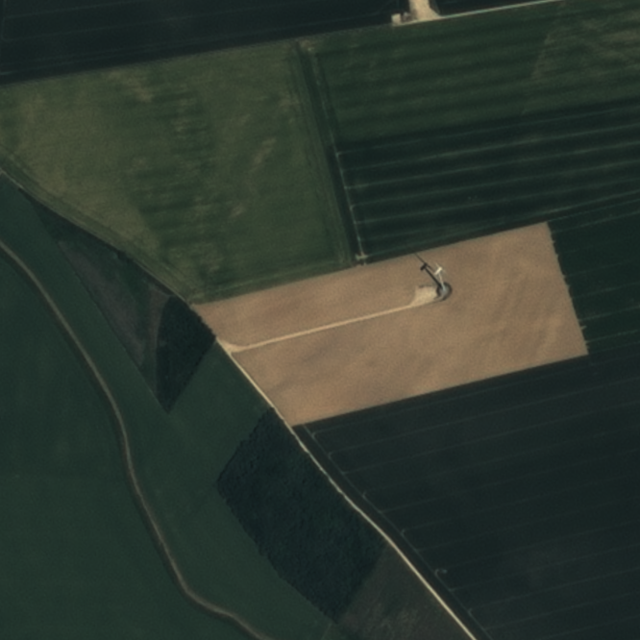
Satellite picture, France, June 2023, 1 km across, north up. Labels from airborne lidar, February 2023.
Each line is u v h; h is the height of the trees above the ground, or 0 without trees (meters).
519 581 0
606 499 0
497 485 0
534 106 0
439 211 0
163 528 0
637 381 0
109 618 0
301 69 0
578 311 0
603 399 0
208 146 0
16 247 0
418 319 0
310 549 17
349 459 0
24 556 0
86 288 0
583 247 0
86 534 0
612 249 0
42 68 0
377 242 0
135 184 0
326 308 0
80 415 0
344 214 0
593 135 0
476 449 0
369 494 0
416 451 0
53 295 0
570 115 0
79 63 0
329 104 0
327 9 0
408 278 0
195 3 0
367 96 0
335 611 15
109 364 0
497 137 0
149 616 0
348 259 0
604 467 0
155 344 0
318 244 0
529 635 0
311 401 0
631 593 0
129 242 0
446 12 0
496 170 0
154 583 0
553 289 0
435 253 0
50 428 0
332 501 18
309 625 0
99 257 0
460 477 0
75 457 0
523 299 0
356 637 0
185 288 0
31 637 0
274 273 0
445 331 0
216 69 0
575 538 0
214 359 0
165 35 0
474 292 0
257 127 0
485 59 0
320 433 0
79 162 0
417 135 0
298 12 0
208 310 0
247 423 0
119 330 0
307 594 12
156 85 0
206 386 0
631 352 0
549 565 0
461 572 0
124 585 0
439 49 0
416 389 0
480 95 0
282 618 0
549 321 0
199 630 0
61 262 0
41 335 0
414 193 0
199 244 0
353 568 17
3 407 0
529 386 0
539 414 0
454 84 0
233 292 0
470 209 0
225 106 0
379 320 0
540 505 0
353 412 0
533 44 0
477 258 0
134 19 0
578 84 0
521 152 0
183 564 0
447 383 0
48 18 0
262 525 16
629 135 0
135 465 0
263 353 0
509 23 0
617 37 0
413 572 0
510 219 0
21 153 0
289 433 13
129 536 0
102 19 0
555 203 0
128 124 0
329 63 0
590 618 0
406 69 0
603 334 0
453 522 0
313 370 0
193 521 0
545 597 0
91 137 0
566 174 0
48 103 0
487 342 0
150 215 0
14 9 0
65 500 0
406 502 0
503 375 0
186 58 0
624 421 0
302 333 0
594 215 0
